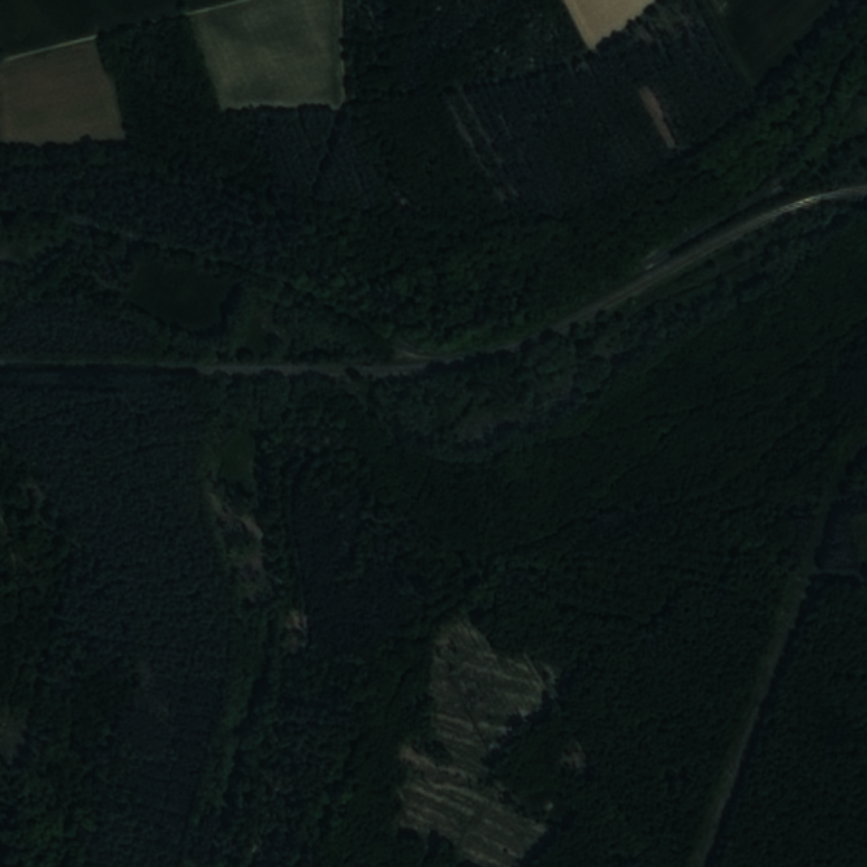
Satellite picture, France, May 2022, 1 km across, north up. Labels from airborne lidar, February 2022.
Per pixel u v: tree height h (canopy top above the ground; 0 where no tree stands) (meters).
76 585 18
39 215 22
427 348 26
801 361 13
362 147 22
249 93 0
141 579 23
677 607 20
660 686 24
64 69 0
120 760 21
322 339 18
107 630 24
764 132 32
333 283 29
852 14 30
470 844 0
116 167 30
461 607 22
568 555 13
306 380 20
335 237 29
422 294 35
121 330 23
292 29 0
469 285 25
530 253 28
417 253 29
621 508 15
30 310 22
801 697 22
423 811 0
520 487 26
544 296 26
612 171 20
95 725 14
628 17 0
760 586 23
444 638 0
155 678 22
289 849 29
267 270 32
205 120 9
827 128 30
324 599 14
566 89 18
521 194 19
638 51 14
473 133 17
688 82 20
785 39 0
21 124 0
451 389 26
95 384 13
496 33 9
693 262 0
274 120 18
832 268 17
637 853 21
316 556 14
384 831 26
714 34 18
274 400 31
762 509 22
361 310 30
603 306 0
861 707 20
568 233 24
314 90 0
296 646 15
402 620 14
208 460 25
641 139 20
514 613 21
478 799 0
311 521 13
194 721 25
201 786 26
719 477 20
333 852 22
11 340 22
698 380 13
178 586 23
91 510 19
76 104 0
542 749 18
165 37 12
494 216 15
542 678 0
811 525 21
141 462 19
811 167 19
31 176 29
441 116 18
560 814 0
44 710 18
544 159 20
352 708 16
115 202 32
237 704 22
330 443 27
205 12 0
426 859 20
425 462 26
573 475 15
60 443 24
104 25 0
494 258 28
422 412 26
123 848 35
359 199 20
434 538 18
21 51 0
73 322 23
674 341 19
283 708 32
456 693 0
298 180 18
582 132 23
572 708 23
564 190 21
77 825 27
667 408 17
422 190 20
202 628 22
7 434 19
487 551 19
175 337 23
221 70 0
